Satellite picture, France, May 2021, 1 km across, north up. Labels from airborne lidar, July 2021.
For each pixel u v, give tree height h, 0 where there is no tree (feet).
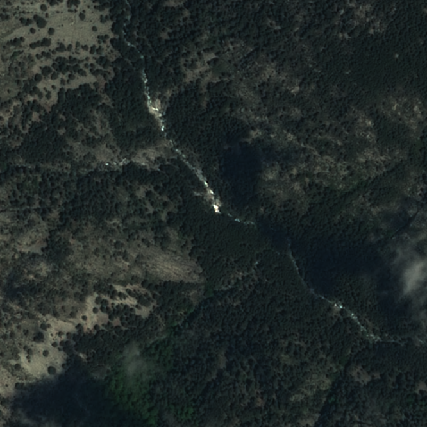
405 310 79
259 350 103
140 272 0
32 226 22
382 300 35
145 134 67
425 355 102
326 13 74
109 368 22
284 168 53
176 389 96
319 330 83
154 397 106
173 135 53
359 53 47
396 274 37
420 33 64
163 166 68
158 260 0
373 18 28
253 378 32
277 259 74
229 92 43
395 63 49
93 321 0
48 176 48
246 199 85
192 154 23
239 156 43
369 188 23
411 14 71
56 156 60
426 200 74
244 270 55
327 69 46
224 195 34
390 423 18
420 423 80
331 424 78
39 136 55
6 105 58
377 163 35
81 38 0
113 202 49
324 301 86
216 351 99
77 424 67
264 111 24
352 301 80
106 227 38
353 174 62
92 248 0
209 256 98
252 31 73
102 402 98
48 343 0
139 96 52
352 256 66
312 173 29
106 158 0
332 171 59
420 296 82
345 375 53
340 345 66
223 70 0
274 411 104
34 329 0
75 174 45
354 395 106
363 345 69
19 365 48
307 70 29
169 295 93
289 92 32
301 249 97
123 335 81
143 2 90
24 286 41
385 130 54
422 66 48
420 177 51
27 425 35
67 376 73
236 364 68
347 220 37
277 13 54
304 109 42
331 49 41
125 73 95
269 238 60
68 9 23
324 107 54
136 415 66
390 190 46
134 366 48
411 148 41
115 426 57
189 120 56
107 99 23
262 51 69
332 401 56
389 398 102
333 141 19
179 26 35
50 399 51
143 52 69
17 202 51
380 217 22
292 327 82
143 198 36
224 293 53
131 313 31
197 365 93
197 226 97
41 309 63
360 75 47
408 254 56
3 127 32
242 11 59
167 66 63
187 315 91
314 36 23
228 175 79
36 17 55
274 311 92
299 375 58
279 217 79
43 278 37
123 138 53
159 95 26
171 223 91
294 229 103
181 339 71
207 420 85
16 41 82
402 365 104
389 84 37
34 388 48
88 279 20
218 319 92
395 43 62
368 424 45
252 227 48
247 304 99
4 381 0
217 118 32
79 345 86
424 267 91
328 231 95
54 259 31
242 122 64
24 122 55
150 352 41
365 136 21
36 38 0
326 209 83
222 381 61
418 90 34
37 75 51
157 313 36
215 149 70
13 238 19
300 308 104
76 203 73
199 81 38
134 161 42
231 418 92
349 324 86
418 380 98
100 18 26
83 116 58
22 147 67
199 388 82
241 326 88
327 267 86
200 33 47
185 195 113
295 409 59
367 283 54
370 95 38
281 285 95
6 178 65
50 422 91
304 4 26
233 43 57
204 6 66
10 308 44
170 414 106
